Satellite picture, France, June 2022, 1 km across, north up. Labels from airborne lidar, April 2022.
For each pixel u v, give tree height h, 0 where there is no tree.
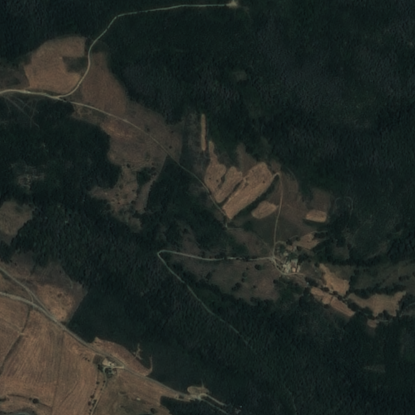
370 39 8
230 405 7
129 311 12
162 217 7
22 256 0
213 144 0
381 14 7
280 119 15
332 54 13
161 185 8
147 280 8
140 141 0
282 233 0
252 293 0
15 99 0
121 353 0
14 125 6
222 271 0
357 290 8
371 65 11
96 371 0
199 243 8
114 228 16
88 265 15
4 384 0
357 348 11
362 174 10
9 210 0
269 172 0
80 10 9
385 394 11
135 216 9
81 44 0
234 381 8
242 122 15
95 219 13
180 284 7
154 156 0
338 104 9
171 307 11
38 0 10
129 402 0
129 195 0
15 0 13
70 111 10
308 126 14
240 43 12
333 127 11
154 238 7
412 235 20
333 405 16
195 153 0
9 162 10
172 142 0
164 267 6
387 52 11
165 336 12
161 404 0
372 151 11
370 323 0
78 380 0
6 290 0
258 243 0
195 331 14
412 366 9
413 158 16
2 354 0
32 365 0
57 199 11
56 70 0
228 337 12
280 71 12
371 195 10
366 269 7
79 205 10
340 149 10
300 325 6
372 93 7
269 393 10
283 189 0
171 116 11
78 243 10
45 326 0
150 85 14
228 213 0
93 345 0
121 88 0
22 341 0
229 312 13
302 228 0
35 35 6
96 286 13
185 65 15
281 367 12
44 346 0
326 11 10
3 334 0
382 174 8
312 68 14
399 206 11
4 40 8
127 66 10
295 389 15
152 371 0
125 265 13
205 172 0
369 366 8
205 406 10
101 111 0
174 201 6
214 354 13
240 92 9
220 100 9
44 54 0
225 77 7
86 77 0
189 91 10
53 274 0
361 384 14
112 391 0
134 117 0
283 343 20
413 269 0
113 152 0
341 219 10
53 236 12
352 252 13
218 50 9
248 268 7
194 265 0
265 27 11
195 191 0
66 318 0
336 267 0
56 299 0
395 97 15
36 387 0
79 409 0
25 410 0
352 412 15
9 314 0
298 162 9
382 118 17
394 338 8
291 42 13
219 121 6
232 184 0
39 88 0
